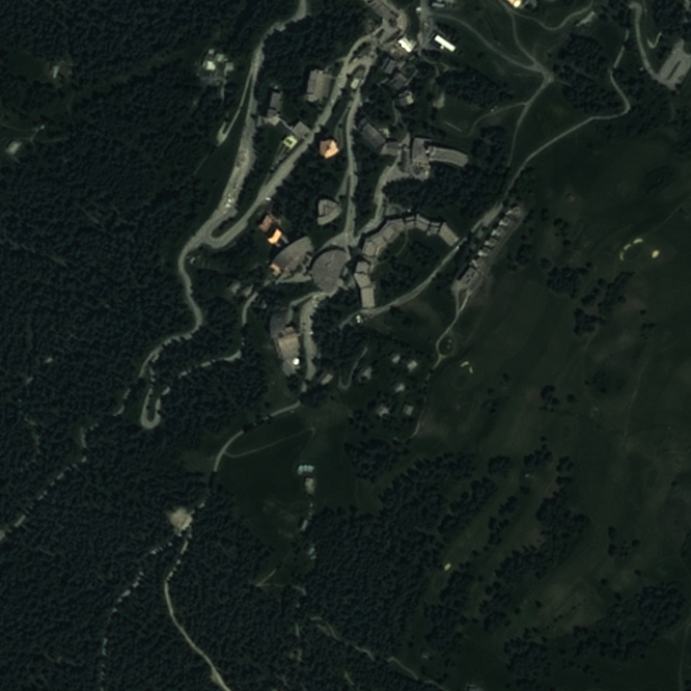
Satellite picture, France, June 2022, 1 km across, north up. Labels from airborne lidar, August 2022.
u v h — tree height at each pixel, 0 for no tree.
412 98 0
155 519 23
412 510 26
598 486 0
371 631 24
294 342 0
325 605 23
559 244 0
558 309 0
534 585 0
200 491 26
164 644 24
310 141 0
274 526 0
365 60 0
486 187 28
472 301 0
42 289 26
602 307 9
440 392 0
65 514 23
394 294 8
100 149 25
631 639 8
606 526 0
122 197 22
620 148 0
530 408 0
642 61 0
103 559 23
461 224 0
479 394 0
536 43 0
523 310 0
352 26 28
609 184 0
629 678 0
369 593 23
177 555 22
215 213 0
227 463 0
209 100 20
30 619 29
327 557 20
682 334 0
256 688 21
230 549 20
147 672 21
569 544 6
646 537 0
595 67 20
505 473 21
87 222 8
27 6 30
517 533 0
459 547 0
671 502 0
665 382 0
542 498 0
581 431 0
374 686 20
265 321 11
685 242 0
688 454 0
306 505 0
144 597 25
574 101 21
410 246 0
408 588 28
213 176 0
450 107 0
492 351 0
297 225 18
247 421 0
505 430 0
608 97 14
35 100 14
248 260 10
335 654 22
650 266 0
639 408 0
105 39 31
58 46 24
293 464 0
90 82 19
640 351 0
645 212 0
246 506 0
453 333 0
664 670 0
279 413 0
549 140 0
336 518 17
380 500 0
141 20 28
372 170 8
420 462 0
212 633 19
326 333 17
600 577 0
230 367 25
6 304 20
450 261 0
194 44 14
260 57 0
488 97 24
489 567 0
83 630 20
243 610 21
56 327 18
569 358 0
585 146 0
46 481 20
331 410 0
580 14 0
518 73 0
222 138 0
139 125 27
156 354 0
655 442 0
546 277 0
